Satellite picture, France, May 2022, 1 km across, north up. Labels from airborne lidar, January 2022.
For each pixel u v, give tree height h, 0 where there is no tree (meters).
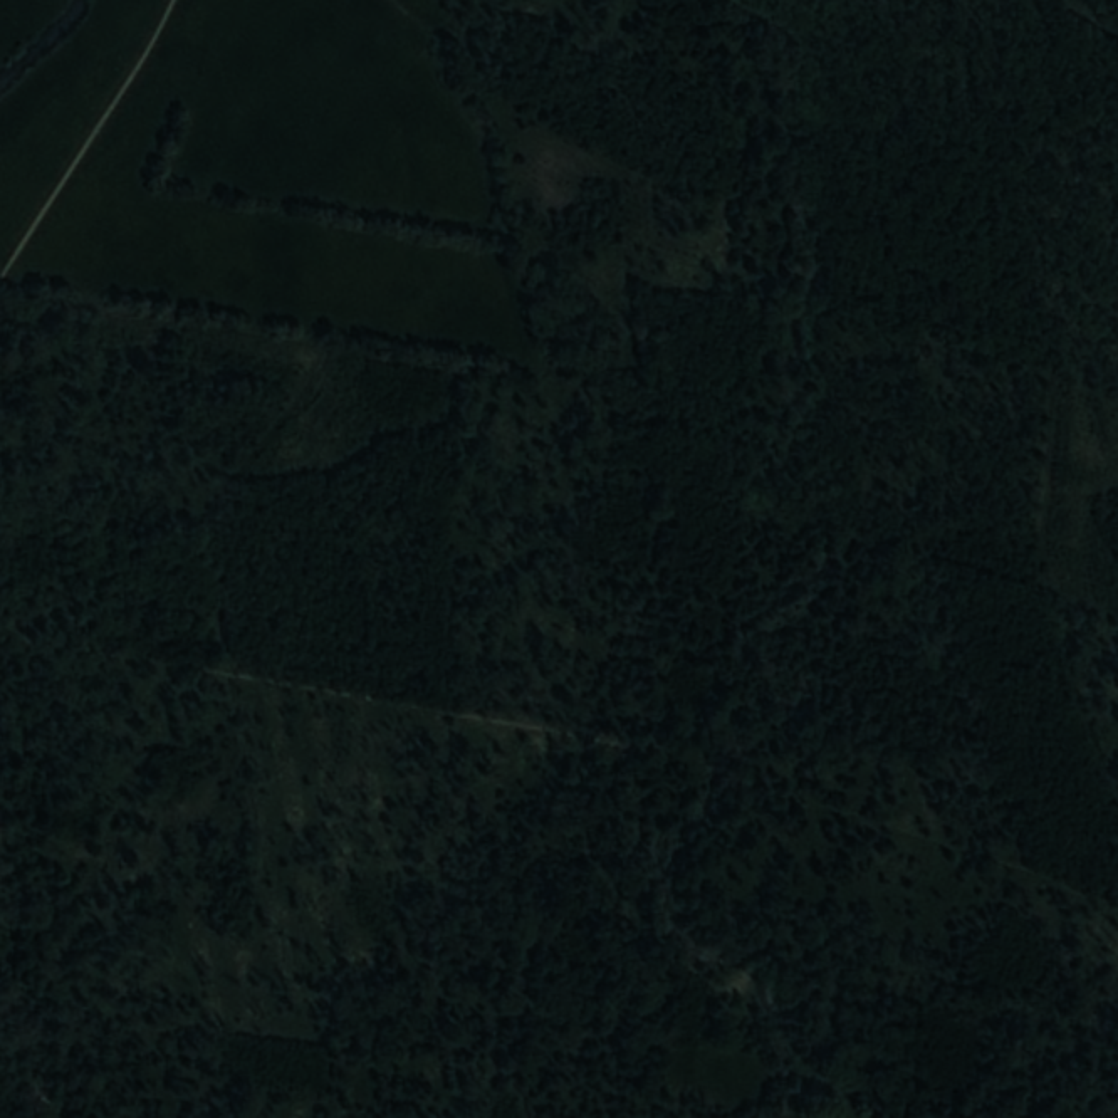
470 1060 17
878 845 25
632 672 10
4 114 0
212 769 7
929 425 25
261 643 18
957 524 18
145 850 0
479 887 30
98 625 35
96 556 22
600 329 33
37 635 32
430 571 20
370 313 0
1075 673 23
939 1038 8
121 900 34
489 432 33
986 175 25
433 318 0
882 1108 24
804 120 22
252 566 19
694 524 18
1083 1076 35
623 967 32
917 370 26
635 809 10
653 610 16
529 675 30
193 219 0
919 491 24
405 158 0
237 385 28
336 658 19
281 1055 12
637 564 13
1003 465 24
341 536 16
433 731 0
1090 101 25
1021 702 21
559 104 20
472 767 0
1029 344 23
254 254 0
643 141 22
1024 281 22
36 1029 32
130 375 11
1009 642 21
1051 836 19
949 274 23
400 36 0
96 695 32
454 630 29
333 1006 33
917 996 11
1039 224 23
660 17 21
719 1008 31
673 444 21
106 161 0
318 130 0
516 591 29
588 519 14
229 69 0
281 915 0
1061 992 12
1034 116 23
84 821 15
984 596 22
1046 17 22
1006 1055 32
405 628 21
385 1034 27
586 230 11
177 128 18
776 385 29
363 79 0
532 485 26
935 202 24
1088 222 23
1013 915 12
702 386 17
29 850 19
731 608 17
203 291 0
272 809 0
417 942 11
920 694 14
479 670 26
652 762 14
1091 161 23
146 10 0
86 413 18
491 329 0
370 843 27
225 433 19
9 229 0
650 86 21
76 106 0
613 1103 14
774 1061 23
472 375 25
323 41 0
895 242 24
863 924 29
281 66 0
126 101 0
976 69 19
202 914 8
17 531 23
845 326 23
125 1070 16
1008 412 21
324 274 0
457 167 0
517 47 21
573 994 24
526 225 14
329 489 19
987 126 22
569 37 28
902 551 28
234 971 0
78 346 18
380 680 20
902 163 24
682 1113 7
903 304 28
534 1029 21
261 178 0
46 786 26
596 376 26
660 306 20
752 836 29
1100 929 0
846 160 25
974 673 20
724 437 24
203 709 30
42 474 32
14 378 12
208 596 22
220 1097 20
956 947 15
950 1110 7
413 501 22
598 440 27
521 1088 14
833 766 21
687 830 25
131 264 0
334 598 20
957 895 0
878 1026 29
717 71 12
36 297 19
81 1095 18
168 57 0
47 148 0
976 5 25
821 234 19
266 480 11
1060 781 22
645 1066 26
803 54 23
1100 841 19
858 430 22
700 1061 0
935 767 28
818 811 0
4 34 0
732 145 16
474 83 27
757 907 9
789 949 32
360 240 0
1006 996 31
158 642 12
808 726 29
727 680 14
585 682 9
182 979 0
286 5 0
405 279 0
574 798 29
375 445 15
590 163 0
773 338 26
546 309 27
